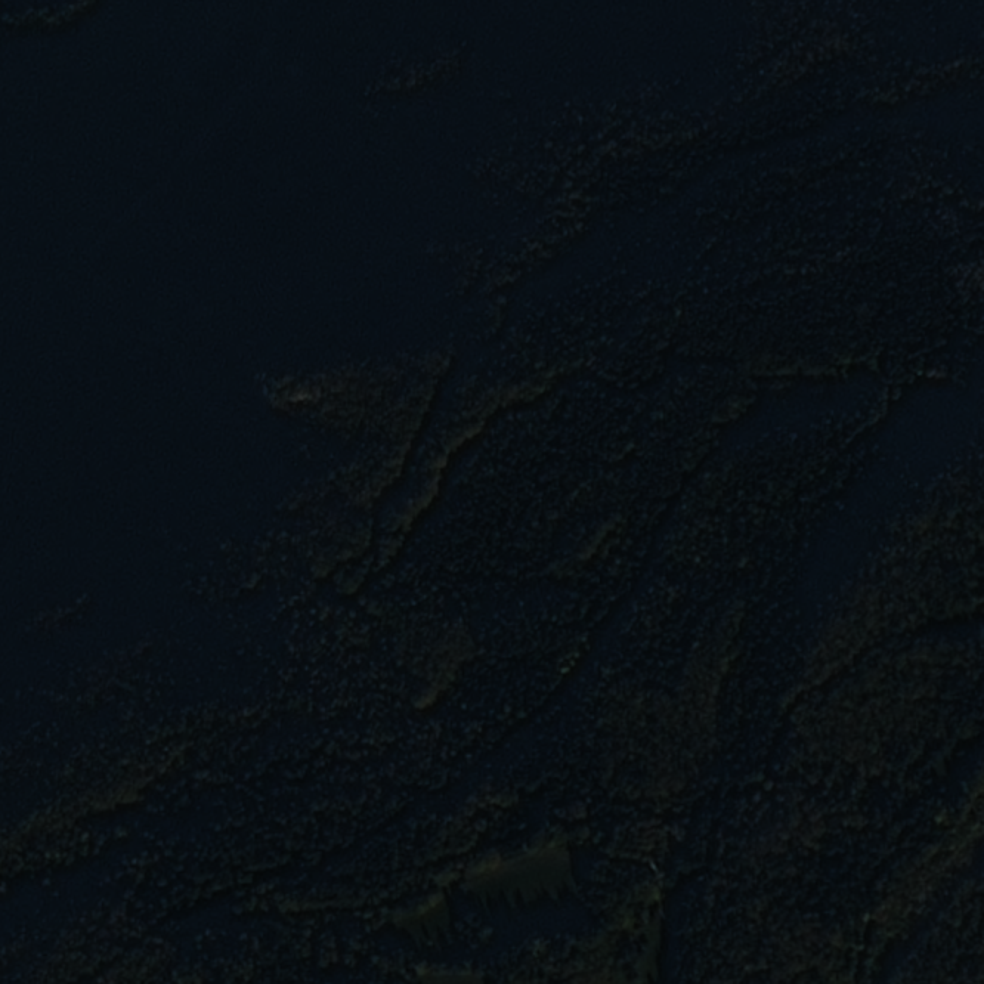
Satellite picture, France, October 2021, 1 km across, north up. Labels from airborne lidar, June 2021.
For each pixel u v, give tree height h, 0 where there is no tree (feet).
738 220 52
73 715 78
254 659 84
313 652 84
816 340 80
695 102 67
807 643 39
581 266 84
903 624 64
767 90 71
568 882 0
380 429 96
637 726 85
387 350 66
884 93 95
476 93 81
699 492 54
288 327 54
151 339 94
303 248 57
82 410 94
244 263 61
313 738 89
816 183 59
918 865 34
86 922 67
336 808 71
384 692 41
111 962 74
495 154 75
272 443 105
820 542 83
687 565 55
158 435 89
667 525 48
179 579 93
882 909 47
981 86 68
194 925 47
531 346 92
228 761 62
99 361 80
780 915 73
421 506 74
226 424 95
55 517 85
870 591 54
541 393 43
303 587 72
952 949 81
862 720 70
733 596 83
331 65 84
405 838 84
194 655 69
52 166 62
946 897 25
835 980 39
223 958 61
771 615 54
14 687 80
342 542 82
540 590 46
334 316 91
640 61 41
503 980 68
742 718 67
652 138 77
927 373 83
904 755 73
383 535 89
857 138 58
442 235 50
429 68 70
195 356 75
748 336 75
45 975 69
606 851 85
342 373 44
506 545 86
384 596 96
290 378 40
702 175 41
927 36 70
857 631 66
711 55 62
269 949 73
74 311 95
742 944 64
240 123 67
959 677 80
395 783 75
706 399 84
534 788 52
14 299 78
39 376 103
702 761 61
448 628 87
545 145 68
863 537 79
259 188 63
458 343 58
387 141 86
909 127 66
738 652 82
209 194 57
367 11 47
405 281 89
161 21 73
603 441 79
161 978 71
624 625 88
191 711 87
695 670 73
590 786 55
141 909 55
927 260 82
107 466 98
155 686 77
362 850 82
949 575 91
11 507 100
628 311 54
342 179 64
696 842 94
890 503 79
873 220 84
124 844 34
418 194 83
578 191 72
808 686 65
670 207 61
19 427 89
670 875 92
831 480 78
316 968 61
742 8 65
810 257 70
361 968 69
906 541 79
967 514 75
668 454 86
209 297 57
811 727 67
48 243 88
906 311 73
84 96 78
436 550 82
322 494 81
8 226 74
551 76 49
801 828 38
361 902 73
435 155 71
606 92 62
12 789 87
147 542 100
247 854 74
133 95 69
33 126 89
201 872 87
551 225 79
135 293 87
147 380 91
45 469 95
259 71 62
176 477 90
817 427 83
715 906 67
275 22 53
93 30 73
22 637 84
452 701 50
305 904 73
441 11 58
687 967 69
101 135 71
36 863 52
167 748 83
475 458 48
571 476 80
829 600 41
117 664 71
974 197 75
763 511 58
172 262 66
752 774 96
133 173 54
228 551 88
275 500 43
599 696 86
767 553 55
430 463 79
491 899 0
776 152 62
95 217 78
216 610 70
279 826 83
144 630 74
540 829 82
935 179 79
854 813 53
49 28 99
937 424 0
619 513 61
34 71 73
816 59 52
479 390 104
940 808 61
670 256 66
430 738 81
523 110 82
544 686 71
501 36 66
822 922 74
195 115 72
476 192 78
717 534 53
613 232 61
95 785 88
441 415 100
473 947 37
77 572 52
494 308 82
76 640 78
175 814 47
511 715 34
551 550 73
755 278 54
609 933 36
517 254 70
